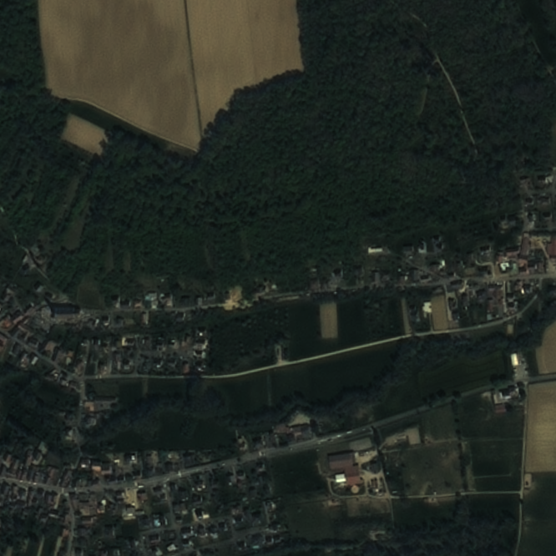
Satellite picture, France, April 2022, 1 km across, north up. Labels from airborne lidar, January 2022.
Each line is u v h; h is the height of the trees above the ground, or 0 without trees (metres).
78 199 8
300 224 12
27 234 13
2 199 7
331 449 0
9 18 20
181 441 0
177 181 30
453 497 0
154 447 0
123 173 30
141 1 0
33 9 26
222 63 0
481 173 29
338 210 7
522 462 0
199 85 0
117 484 0
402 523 0
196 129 0
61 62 0
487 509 0
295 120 26
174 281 7
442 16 21
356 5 30
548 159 14
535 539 0
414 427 0
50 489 0
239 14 0
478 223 7
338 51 28
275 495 0
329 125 22
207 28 0
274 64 0
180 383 0
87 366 0
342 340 0
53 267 16
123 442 0
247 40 0
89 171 7
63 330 0
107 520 0
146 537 0
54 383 0
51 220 6
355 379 0
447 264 0
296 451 0
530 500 0
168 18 0
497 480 0
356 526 0
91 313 0
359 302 0
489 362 0
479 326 0
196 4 0
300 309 0
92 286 0
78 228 0
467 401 0
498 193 24
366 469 0
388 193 20
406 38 0
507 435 0
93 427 0
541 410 0
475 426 0
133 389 0
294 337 0
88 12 0
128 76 0
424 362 18
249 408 0
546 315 15
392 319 0
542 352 0
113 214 26
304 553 0
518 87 34
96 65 0
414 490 0
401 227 9
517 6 28
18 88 17
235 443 9
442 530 26
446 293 0
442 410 0
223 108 0
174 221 22
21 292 0
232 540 0
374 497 0
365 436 0
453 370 0
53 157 23
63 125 24
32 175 12
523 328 13
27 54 23
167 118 0
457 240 0
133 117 0
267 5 0
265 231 6
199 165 25
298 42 0
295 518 0
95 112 0
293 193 26
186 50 0
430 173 23
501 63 10
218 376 0
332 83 25
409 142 26
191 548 0
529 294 0
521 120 23
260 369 0
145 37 0
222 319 11
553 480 0
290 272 10
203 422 0
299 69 0
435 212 24
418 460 0
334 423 0
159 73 0
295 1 0
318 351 0
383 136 27
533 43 26
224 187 21
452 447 0
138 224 24
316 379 0
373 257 0
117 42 0
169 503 0
